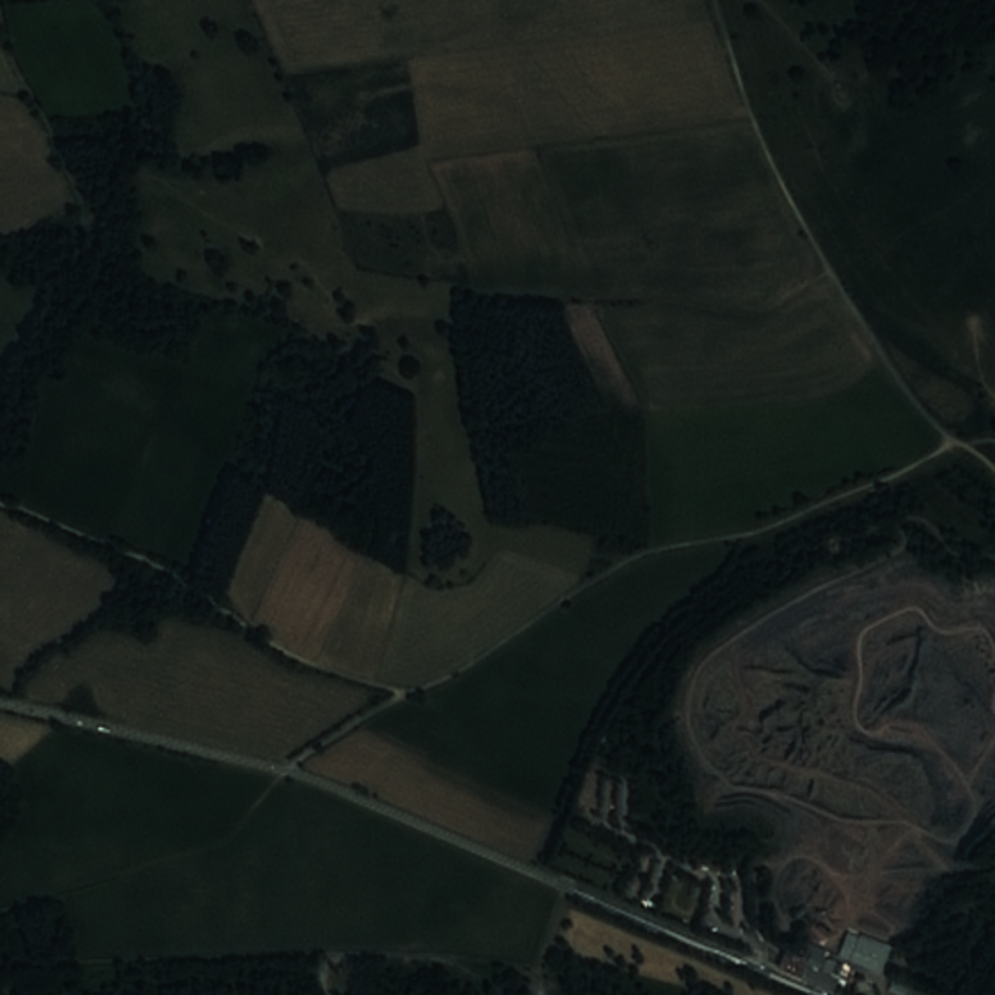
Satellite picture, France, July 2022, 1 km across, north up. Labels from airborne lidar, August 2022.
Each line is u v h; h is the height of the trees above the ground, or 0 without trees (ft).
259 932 0
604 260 0
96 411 0
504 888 0
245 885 0
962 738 0
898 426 0
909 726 0
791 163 0
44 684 0
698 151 0
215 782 0
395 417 62
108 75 0
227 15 0
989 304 0
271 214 0
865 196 0
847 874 0
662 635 67
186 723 0
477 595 0
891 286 0
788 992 48
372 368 54
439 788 0
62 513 0
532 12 0
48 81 0
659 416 0
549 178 0
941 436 0
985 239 0
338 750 0
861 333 0
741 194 0
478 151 0
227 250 0
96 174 58
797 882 0
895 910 0
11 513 23
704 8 0
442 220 0
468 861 0
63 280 58
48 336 46
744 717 0
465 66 0
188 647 0
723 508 0
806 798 0
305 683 0
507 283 0
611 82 0
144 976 30
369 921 0
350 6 0
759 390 0
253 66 0
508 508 80
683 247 0
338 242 0
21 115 0
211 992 49
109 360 0
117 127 32
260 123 0
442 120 0
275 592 0
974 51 22
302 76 0
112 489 0
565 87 0
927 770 0
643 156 0
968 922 37
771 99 0
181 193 0
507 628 0
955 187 0
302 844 0
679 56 0
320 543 0
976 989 62
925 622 0
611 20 0
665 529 0
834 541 0
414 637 0
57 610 0
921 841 0
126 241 38
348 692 0
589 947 0
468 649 0
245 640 33
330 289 0
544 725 0
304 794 0
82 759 0
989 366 0
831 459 0
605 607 0
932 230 0
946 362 0
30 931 74
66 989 47
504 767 0
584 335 0
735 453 0
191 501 0
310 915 0
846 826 0
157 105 64
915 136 0
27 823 0
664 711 43
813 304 0
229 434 0
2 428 58
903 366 0
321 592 0
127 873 0
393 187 0
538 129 0
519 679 0
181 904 0
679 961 0
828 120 0
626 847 40
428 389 0
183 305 34
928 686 0
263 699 0
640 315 0
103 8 43
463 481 0
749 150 0
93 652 0
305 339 21
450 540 44
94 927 0
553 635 0
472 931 0
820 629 0
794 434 0
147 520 0
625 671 36
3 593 0
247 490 84
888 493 29
